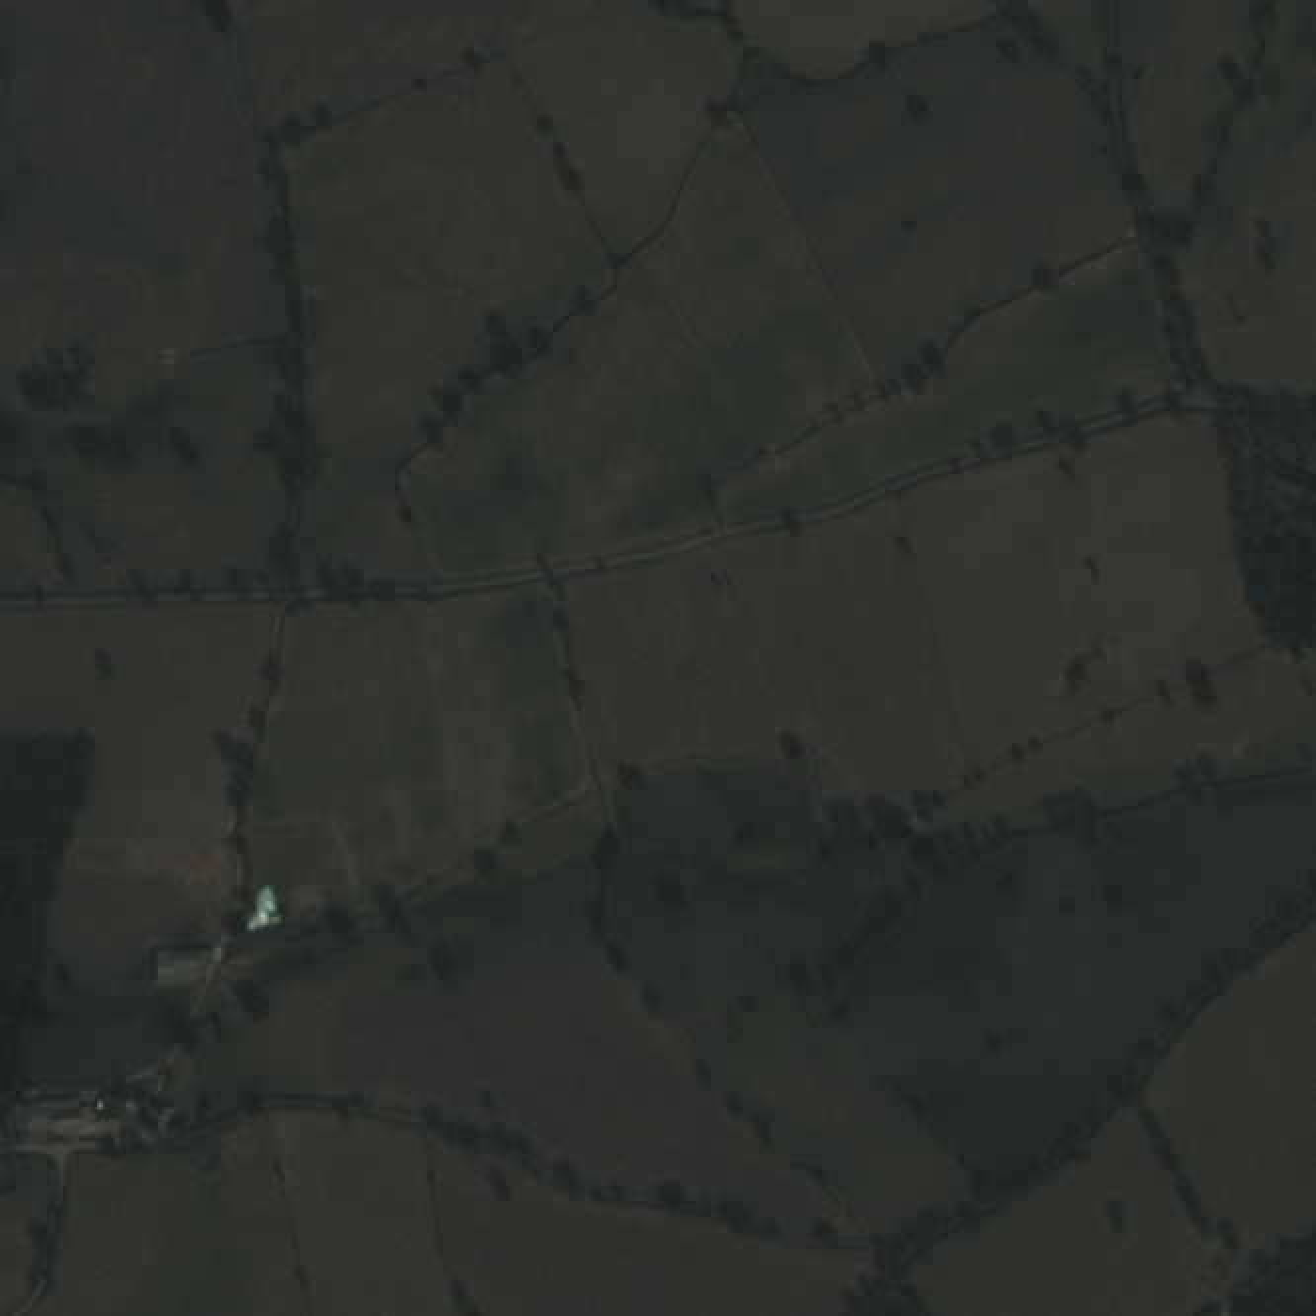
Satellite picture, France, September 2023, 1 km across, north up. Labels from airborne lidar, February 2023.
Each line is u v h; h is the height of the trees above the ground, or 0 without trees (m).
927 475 0
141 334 0
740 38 10
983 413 0
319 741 0
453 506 0
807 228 0
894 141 0
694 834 0
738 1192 0
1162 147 0
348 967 0
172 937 0
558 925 0
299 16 0
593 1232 0
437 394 10
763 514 0
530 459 0
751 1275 0
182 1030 19
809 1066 0
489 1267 0
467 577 0
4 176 0
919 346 0
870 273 0
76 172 0
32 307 0
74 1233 0
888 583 0
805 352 0
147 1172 0
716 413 0
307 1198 0
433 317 0
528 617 0
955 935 0
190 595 13
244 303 0
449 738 0
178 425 0
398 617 0
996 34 0
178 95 0
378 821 0
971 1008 0
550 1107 0
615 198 0
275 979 0
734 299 0
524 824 0
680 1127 0
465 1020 0
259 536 0
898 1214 0
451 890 0
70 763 16
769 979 0
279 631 0
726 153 0
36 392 20
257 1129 0
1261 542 20
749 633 0
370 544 0
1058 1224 0
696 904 0
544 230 0
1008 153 0
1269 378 0
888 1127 0
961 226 0
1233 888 0
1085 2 0
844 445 0
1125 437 0
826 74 0
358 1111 9
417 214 0
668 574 0
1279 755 0
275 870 0
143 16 0
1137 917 0
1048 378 0
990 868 0
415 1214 0
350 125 0
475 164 0
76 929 0
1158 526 0
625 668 0
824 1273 0
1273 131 0
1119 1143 0
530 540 0
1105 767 0
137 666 0
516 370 12
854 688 0
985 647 0
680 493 0
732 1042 0
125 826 0
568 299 0
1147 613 0
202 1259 0
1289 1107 0
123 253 0
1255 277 0
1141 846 0
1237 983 0
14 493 0
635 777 11
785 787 0
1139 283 0
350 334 0
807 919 0
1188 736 0
